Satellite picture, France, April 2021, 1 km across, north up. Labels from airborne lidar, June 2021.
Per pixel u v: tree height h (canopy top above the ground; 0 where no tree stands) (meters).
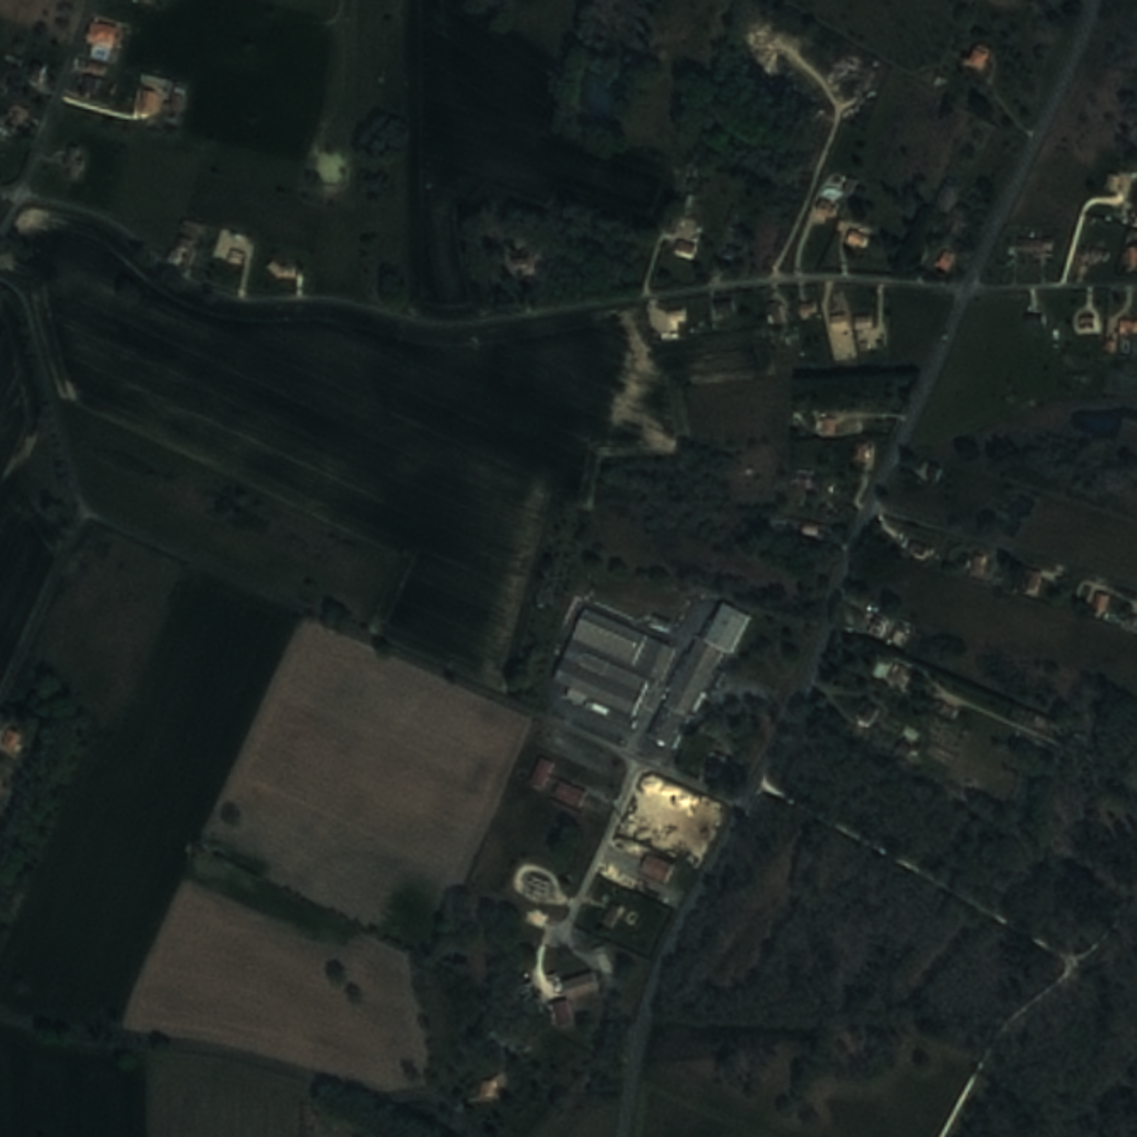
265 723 0
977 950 16
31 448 0
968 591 0
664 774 0
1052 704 6
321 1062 0
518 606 0
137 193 0
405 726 0
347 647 0
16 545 0
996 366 0
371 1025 0
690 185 10
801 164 6
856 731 10
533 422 0
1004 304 0
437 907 0
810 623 9
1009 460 17
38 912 0
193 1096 0
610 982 0
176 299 0
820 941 14
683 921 0
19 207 0
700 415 0
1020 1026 15
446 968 10
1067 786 15
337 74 0
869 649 11
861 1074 21
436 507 0
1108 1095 12
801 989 19
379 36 0
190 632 0
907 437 0
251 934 0
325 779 0
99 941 0
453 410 0
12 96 8
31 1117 0
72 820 0
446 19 0
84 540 0
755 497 0
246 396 0
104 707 0
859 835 16
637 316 0
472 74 0
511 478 0
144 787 0
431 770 0
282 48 0
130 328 0
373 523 0
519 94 0
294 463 0
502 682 0
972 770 0
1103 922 18
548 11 0
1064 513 0
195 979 0
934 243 10
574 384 0
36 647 0
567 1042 0
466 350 0
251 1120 0
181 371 0
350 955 0
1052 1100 20
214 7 0
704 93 25
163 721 0
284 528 0
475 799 0
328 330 0
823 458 6
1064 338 0
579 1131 0
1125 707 21
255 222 0
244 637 0
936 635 0
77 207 0
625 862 0
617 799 0
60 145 0
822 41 0
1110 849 22
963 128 0
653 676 0
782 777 8
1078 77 0
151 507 0
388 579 0
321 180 14
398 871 0
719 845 0
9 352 0
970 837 8
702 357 0
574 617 0
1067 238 0
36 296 0
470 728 0
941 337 0
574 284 17
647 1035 0
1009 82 8
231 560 0
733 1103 0
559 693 0
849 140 0
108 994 0
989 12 0
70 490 21
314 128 0
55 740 18
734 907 14
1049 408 0
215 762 0
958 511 0
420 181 0
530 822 0
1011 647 0
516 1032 18
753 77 18
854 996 8
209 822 0
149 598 0
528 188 0
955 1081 0
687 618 0
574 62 18
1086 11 0
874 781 15
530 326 0
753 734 13
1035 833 25
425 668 0
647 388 0
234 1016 0
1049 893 24
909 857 14
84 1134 0
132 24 0
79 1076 0
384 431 0
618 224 10
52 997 0
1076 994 8
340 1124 15
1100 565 0
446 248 0
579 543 7
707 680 0
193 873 0
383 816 0
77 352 0
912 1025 15
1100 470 8
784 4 18
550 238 20
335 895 0
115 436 0
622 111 24
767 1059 14
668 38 10
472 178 0
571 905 0
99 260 0
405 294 17
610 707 0
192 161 0
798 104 20
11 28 0
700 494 9
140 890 0
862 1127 0
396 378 0
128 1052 17
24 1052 0
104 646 0
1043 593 0
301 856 0
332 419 0
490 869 0
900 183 0
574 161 0
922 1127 0
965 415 0
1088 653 0
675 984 17
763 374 0
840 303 0
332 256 0
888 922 10
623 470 6
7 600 0
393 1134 21
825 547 15
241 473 0
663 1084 0
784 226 6
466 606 0
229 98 0
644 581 9
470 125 0
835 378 10
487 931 10
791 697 0
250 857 0
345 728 0
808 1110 9
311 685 0
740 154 10
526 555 0
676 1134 0
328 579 0
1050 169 0
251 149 0
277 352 0
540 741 0
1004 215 0
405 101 0
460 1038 0
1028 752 19
